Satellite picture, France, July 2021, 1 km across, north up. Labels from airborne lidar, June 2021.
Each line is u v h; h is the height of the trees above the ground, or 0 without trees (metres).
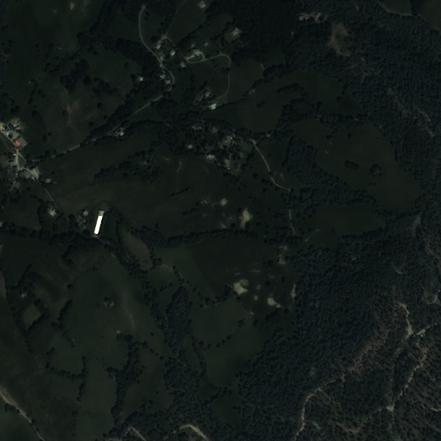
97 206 0
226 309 0
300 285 12
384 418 11
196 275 0
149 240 12
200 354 14
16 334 0
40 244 0
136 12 20
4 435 0
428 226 11
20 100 0
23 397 0
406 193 0
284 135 13
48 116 0
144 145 0
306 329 14
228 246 0
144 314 0
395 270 6
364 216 0
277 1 33
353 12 14
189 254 0
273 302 0
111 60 0
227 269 0
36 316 0
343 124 11
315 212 12
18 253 0
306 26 21
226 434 17
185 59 7
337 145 0
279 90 10
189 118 17
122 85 0
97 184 0
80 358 0
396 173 0
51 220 0
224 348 0
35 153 0
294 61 14
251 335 0
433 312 14
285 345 14
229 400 0
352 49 10
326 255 12
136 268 16
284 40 24
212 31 0
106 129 20
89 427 0
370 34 18
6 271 12
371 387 15
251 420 13
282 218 10
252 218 0
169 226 0
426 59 15
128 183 0
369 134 0
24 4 0
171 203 0
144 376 0
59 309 0
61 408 0
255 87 10
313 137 0
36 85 12
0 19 17
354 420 14
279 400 16
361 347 11
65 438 0
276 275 0
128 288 0
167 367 13
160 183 0
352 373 14
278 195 0
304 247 0
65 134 0
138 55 24
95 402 0
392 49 17
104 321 0
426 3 0
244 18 23
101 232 8
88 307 0
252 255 0
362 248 13
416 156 19
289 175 0
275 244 12
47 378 0
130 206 0
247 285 0
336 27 0
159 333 0
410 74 16
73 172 0
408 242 10
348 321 12
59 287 0
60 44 0
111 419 0
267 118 0
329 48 17
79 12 0
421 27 14
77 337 0
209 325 0
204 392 0
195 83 15
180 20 0
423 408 18
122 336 12
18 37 0
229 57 0
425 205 12
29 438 0
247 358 0
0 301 0
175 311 18
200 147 17
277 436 10
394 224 16
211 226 0
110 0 21
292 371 11
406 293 13
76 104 0
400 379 16
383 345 14
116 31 0
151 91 19
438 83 17
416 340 15
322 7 17
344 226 0
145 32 0
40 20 0
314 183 20
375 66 6
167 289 8
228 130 10
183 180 0
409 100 15
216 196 0
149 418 15
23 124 0
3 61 14
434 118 13
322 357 13
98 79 12
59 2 0
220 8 14
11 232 16
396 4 0
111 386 0
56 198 0
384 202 0
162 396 0
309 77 0
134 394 0
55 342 0
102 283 0
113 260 0
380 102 13
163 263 8
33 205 0
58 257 0
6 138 0
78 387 0
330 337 8
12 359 0
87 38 22
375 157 0
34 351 9
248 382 13
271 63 0
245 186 13
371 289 21
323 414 9
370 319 14
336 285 22
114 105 0
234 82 0
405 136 13
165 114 22
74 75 26
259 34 27
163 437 11
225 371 0
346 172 0
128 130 10
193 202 0
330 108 0
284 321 0
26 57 0
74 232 18
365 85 16
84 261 0
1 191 0
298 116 14
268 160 0
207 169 0
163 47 6
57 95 0
